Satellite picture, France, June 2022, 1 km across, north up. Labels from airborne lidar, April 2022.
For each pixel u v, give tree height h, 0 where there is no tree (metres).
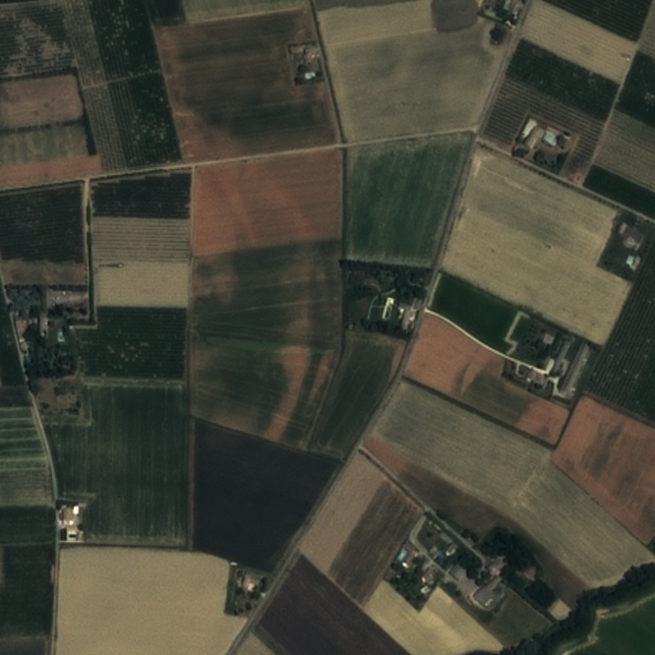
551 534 0
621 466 0
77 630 0
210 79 0
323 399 0
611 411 0
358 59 0
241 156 0
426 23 0
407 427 0
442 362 0
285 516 0
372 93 0
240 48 0
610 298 0
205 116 0
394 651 0
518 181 0
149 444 0
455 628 0
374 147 0
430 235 0
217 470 0
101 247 0
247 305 0
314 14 0
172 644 0
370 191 0
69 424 0
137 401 0
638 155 0
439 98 0
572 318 0
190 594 0
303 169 0
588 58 0
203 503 0
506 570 17
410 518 0
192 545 0
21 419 0
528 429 0
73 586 0
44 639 0
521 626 0
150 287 0
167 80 0
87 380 0
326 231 0
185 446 0
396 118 0
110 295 0
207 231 0
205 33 0
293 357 0
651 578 18
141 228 0
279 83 0
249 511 0
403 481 0
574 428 0
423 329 0
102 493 0
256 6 0
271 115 0
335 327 0
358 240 0
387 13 0
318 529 0
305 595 0
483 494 0
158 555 0
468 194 0
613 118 0
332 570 0
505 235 0
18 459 0
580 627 14
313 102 0
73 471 0
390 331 13
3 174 0
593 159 0
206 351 0
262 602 0
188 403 0
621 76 0
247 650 0
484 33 0
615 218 0
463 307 0
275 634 0
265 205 0
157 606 0
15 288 11
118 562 0
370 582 0
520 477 0
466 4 0
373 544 0
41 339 16
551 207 0
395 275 17
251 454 0
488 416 0
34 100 0
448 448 0
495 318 0
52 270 0
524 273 0
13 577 0
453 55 0
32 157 0
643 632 0
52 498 0
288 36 0
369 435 0
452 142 0
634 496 0
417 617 0
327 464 0
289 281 0
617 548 0
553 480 0
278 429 0
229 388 0
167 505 0
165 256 0
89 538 0
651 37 0
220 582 0
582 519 0
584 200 0
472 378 0
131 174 9
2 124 0
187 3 0
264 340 0
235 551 0
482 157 0
